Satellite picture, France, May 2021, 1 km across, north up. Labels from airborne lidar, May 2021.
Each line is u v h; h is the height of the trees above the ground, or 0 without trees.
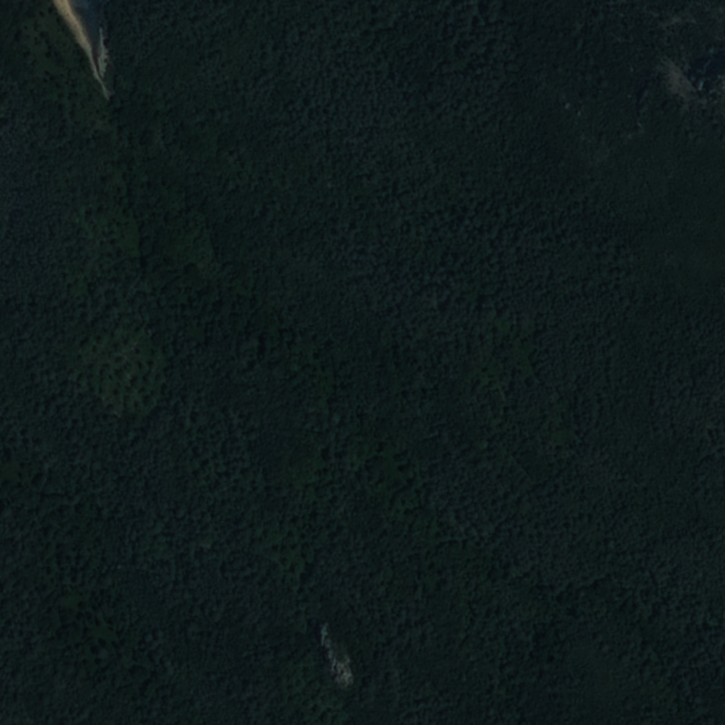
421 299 25
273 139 13
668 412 17
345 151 13
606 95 6
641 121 6
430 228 10
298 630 14
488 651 13
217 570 23
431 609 15
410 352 17
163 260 17
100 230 16
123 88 11
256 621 17
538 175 18
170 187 14
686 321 12
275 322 22
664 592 22
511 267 21
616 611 15
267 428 8
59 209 19
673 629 17
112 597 27
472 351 20
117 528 18
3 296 17
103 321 27
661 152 6
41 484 22
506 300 23
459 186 9
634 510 18
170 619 19
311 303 14
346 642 18
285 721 21
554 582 23
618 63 9
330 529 18
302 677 11
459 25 19
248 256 9
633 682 12
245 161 17
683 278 7
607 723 9
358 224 23
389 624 28
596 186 10
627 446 8
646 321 8
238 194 19
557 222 16
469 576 22
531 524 19
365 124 22
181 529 23
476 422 9
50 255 21
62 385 17
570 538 21
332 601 20
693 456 14
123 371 16
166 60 13
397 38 18
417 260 11
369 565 22
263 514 15
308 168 12
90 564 27
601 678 6
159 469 26
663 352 16
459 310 30
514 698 14
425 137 10
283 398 19
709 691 21
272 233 11
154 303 16
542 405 19
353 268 26
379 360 21
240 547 11
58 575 18
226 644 17
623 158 8
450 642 16
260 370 20
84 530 22
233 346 28
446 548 21
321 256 7
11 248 32
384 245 20
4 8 20
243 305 24
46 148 11
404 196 28
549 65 10
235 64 10
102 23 9
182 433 17
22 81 17
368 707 16
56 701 21
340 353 23
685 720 10
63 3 0
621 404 16
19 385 22
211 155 16
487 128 15
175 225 9
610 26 7
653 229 9
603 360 10
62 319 17
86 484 27
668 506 11
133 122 15
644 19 9
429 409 14
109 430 6
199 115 12
